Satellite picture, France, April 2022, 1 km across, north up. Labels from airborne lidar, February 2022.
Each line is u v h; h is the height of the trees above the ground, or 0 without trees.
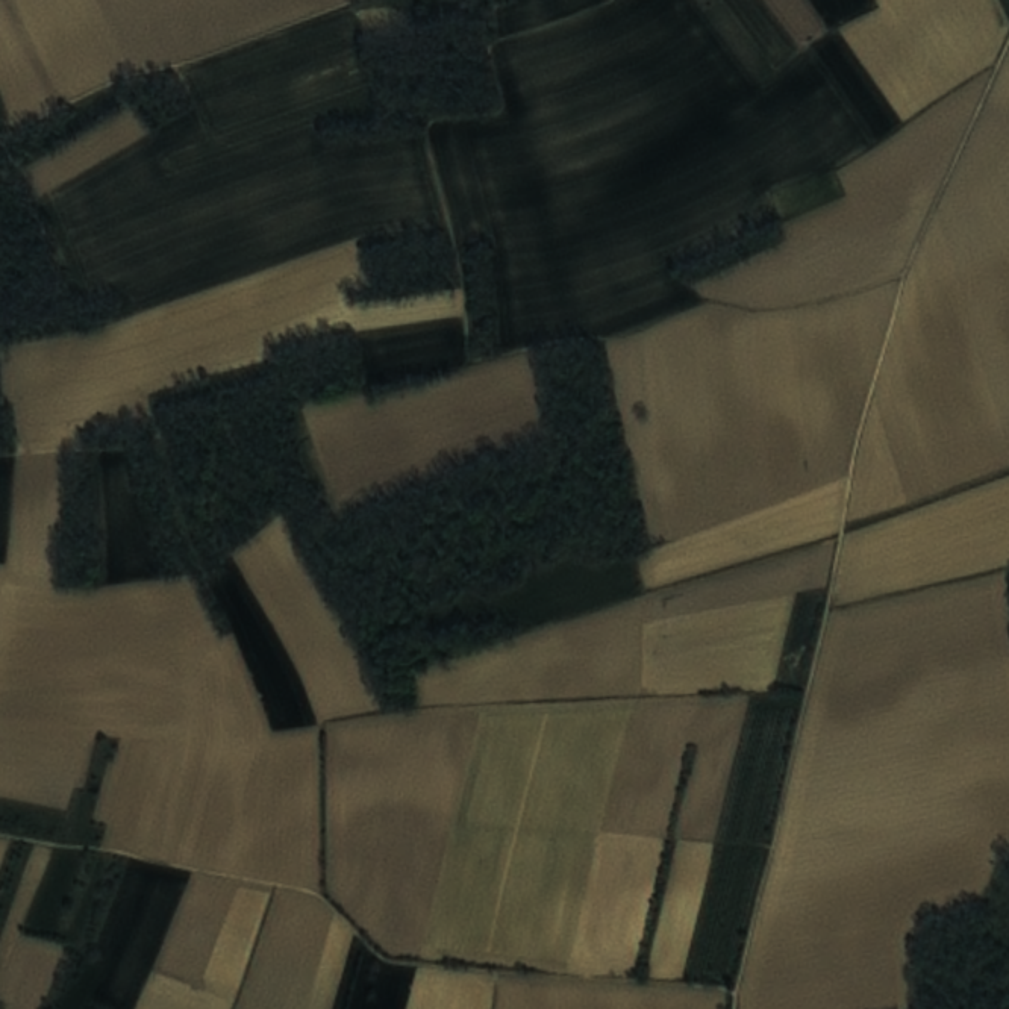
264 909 0
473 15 25
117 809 0
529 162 0
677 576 0
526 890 0
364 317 0
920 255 0
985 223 0
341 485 0
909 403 0
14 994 0
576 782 0
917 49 0
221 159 0
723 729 0
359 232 0
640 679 0
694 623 0
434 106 29
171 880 0
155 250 0
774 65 0
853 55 0
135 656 0
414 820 0
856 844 0
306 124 0
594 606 0
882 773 0
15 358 0
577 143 0
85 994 0
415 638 28
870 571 0
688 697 0
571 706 0
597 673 0
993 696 0
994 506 0
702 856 0
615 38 0
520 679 0
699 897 0
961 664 0
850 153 0
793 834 0
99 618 0
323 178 0
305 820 0
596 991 0
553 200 0
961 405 0
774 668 0
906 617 0
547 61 0
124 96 24
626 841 0
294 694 0
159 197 0
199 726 0
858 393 0
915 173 0
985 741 0
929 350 0
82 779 0
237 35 0
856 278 0
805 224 0
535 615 0
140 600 0
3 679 0
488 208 0
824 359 0
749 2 0
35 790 0
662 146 0
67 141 21
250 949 0
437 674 0
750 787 0
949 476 0
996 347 0
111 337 0
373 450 0
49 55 0
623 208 0
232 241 0
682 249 0
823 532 0
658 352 0
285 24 0
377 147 0
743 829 0
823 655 0
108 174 0
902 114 0
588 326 0
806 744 0
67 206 0
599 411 30
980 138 0
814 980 0
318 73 0
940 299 0
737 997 0
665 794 0
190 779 0
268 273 0
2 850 0
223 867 0
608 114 0
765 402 0
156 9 0
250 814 0
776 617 0
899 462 0
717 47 0
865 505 0
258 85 0
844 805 0
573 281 0
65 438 0
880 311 0
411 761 0
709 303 0
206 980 0
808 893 0
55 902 0
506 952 0
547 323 0
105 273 0
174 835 0
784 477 0
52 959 0
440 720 0
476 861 0
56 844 0
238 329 0
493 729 0
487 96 28
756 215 0
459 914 0
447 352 0
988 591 0
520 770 0
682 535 0
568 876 0
